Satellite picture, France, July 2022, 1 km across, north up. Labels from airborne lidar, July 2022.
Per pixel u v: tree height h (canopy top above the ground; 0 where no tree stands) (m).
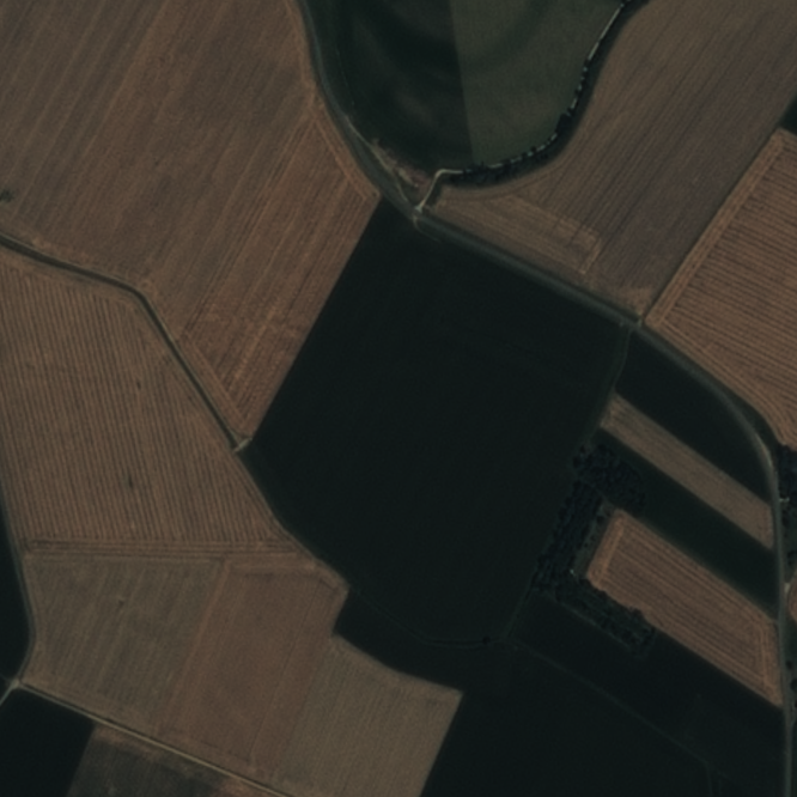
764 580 0
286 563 0
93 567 0
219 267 0
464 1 0
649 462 0
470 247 0
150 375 0
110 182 0
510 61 0
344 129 0
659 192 0
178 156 0
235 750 0
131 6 0
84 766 0
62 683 0
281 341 0
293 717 0
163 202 0
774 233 0
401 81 0
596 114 0
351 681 0
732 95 0
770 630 0
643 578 0
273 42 0
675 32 0
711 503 0
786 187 0
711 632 0
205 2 0
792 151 0
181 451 0
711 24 0
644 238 0
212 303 0
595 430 0
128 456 0
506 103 0
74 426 0
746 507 0
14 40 0
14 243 0
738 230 0
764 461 0
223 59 0
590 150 0
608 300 0
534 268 0
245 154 0
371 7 0
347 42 0
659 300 0
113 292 0
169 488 0
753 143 0
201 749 0
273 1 0
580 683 0
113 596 0
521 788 0
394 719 0
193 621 0
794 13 0
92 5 0
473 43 0
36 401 0
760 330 0
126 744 0
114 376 0
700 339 0
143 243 0
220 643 0
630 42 0
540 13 0
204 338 0
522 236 0
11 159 0
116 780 0
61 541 0
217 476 0
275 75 0
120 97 0
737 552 0
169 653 0
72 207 0
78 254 0
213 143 0
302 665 0
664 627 0
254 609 0
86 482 0
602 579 0
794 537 0
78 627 0
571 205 0
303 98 0
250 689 0
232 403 0
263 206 0
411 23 0
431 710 0
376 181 0
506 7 0
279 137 0
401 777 0
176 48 0
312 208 0
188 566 0
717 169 0
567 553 18
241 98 0
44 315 0
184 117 0
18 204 0
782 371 0
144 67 0
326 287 0
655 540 0
